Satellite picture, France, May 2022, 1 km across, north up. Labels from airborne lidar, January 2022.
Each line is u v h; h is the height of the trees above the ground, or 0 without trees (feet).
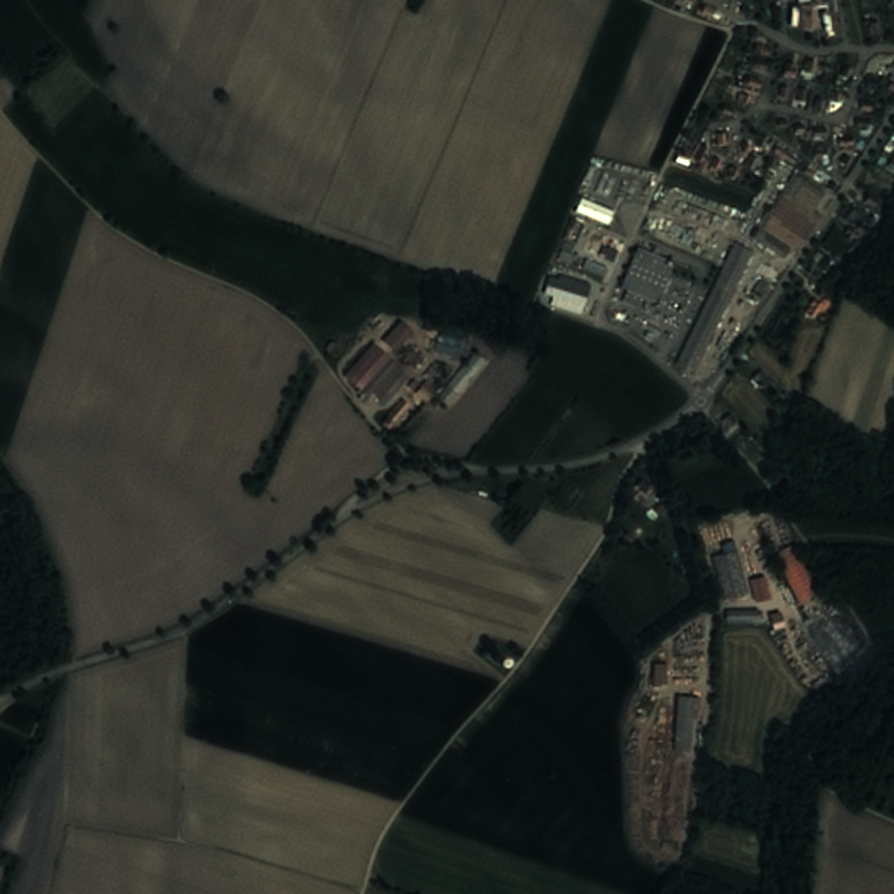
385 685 0
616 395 0
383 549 0
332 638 0
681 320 0
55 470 0
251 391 0
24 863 0
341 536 0
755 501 55
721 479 0
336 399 0
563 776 0
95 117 0
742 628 0
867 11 0
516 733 0
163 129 0
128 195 0
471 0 0
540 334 68
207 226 0
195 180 0
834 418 57
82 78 0
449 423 0
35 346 0
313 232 0
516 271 0
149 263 0
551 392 0
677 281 0
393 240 0
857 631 77
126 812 0
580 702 0
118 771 0
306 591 0
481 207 0
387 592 0
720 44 0
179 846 0
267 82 0
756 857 0
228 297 0
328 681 0
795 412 57
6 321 0
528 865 0
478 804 0
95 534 0
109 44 0
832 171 0
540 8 0
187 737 0
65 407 0
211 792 0
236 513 0
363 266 0
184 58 0
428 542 0
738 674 0
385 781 0
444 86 0
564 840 0
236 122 0
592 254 0
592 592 64
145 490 0
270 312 0
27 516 53
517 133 0
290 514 0
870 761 35
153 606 0
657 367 0
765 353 0
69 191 0
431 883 0
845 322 0
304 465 0
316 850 0
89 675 0
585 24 0
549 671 0
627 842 0
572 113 0
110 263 0
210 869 0
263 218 0
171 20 0
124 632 0
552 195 0
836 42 0
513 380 0
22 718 0
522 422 0
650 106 0
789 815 80
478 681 0
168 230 0
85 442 0
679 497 69
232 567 0
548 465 0
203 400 0
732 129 0
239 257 0
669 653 0
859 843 0
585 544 0
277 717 0
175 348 0
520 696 0
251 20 0
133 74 0
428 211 0
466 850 0
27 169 0
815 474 31
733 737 0
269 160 0
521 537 0
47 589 52
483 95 0
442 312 77
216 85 0
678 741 0
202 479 0
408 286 0
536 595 0
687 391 0
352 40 0
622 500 40
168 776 0
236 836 0
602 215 0
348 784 0
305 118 0
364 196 0
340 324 0
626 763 0
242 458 0
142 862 0
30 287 0
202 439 0
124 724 0
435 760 0
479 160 0
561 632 0
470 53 0
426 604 0
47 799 0
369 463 0
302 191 0
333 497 0
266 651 0
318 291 0
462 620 0
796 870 76
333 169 0
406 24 0
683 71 0
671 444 61
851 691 67
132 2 0
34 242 0
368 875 0
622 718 0
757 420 0
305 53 0
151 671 0
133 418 0
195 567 0
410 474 0
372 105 0
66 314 0
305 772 0
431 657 0
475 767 0
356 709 0
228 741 0
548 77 0
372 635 0
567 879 0
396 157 0
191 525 0
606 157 0
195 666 0
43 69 20
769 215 0
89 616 0
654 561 0
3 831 0
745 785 66
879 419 0
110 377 0
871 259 60
